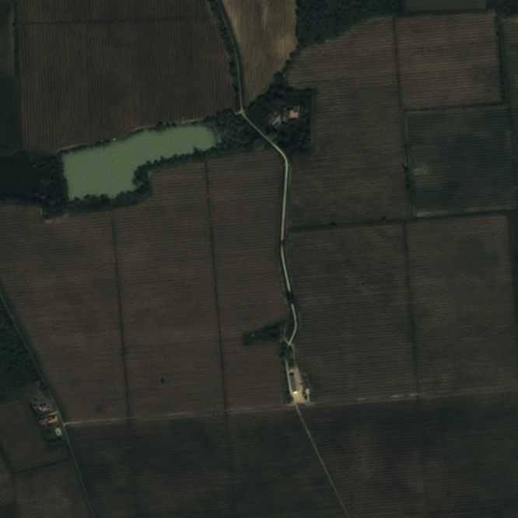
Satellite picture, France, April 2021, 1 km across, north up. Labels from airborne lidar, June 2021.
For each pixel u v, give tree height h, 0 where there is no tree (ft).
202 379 0
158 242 0
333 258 0
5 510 0
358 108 0
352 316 0
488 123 0
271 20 0
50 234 0
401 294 0
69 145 0
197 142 0
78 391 0
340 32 58
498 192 0
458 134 0
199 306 0
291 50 0
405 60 0
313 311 0
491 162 0
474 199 0
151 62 0
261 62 0
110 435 0
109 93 0
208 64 0
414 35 0
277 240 0
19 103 0
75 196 0
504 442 0
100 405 0
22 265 0
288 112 0
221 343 0
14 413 0
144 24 0
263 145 77
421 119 0
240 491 0
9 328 34
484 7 0
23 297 0
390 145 0
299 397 0
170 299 0
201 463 0
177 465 0
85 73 0
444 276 0
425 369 0
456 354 0
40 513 0
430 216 0
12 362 25
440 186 0
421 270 0
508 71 0
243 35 0
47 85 0
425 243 0
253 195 0
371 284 0
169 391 0
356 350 0
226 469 0
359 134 0
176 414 0
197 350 0
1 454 0
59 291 0
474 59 0
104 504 0
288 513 0
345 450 0
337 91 0
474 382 0
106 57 0
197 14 0
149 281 0
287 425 0
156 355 0
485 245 0
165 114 0
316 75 0
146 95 0
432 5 0
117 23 0
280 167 0
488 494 0
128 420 0
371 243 0
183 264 0
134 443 0
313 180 0
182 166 0
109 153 0
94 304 0
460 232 0
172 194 0
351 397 0
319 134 0
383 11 65
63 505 0
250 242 0
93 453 0
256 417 0
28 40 0
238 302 0
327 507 0
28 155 0
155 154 0
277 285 0
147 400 0
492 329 0
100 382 0
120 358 0
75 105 0
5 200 55
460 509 0
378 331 0
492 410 0
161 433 0
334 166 0
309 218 0
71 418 0
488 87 0
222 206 0
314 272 0
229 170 0
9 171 0
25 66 0
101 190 0
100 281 0
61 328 0
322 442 0
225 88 0
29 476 0
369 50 0
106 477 0
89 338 0
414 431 0
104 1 0
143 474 0
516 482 0
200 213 0
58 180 20
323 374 0
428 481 0
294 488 0
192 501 0
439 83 0
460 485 0
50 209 63
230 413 0
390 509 0
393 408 0
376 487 0
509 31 0
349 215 0
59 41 0
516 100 0
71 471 0
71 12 0
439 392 0
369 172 0
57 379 0
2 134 0
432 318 0
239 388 0
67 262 0
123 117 0
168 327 0
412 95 0
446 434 0
